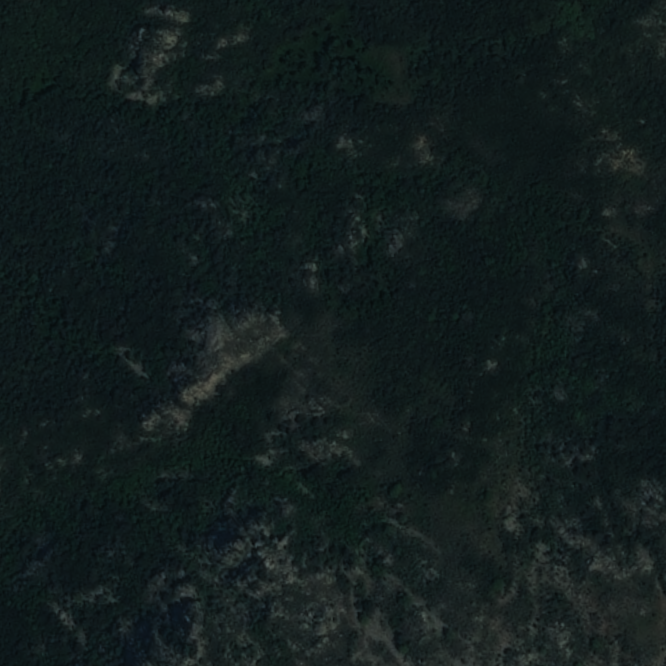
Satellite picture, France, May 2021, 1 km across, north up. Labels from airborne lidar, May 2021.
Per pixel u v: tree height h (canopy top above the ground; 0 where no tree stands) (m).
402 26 7
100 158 8
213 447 11
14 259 18
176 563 10
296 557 7
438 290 9
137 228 7
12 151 15
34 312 14
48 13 13
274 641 7
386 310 9
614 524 6
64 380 10
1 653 11
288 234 8
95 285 7
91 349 15
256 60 7
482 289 12
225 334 0
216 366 0
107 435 6
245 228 11
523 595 9
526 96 6
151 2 6
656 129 8
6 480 11
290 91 14
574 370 10
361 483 7
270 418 16
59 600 8
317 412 6
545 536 8
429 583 9
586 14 8
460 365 12
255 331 0
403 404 6
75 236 13
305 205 11
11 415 7
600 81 9
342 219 8
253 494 9
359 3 9
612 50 9
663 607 0
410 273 9
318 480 18
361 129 8
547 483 6
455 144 12
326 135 8
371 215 11
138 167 10
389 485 7
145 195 11
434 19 12
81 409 10
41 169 15
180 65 8
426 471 7
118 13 9
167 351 16
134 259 8
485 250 10
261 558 8
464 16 11
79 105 12
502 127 7
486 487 8
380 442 6
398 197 12
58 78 17
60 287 12
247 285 7
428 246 8
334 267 9
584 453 12
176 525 11
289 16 15
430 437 7
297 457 6
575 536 6
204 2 9
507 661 7
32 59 19
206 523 11
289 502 11
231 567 12
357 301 11
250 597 12
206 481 8
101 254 6
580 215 15
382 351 7
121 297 10
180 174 15
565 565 10
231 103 17
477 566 8
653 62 14
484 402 7
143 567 13
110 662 12
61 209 16
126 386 13
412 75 13
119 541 10
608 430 12
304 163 21
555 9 15
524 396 9
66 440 9
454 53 13
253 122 8
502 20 9
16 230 13
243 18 9
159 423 8
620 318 10
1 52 11
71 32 13
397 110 10
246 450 16
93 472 9
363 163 8
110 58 13
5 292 20
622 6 7
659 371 9
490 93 8
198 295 8
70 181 11
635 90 13
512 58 7
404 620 8
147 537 9
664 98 14
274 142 11
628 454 8
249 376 20
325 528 9
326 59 23
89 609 10
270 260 6
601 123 7
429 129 8
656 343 9
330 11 8
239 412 11
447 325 10
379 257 15
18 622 11
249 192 11
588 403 6
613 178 7
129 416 9
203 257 10
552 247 10
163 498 9
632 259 10
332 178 9
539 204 11
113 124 7
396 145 9
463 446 7
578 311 6
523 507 7
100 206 8
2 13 11
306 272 10
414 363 8
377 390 9
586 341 10
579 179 6
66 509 14
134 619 8
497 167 9
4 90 10
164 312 10
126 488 12
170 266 6
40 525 9
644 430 12
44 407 8
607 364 8
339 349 8
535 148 7
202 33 8
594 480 7
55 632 10
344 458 9
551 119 6
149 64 7
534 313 9
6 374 14
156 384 8
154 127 9
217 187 9
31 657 10
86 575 7
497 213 8
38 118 14
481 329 11
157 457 9
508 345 7
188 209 11
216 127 11
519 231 6
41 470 11
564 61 8
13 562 9
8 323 18
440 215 5
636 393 8
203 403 7
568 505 8
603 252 6
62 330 13
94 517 9
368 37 7
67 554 10
